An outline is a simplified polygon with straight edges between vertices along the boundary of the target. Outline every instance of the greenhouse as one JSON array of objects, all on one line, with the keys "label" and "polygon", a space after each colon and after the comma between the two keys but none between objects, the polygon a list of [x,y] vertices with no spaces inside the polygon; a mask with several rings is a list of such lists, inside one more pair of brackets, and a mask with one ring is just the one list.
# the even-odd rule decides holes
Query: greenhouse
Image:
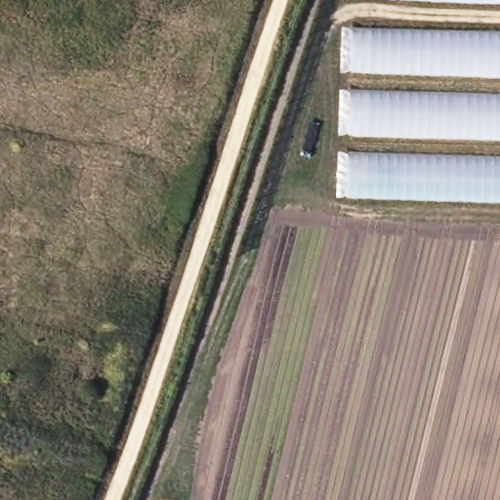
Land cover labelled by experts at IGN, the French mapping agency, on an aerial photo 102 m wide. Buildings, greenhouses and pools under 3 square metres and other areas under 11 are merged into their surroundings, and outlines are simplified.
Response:
[{"label": "greenhouse", "polygon": [[500,33],[352,27],[342,29],[340,35],[342,72],[500,78]]},{"label": "greenhouse", "polygon": [[500,203],[500,158],[338,152],[336,166],[338,197]]},{"label": "greenhouse", "polygon": [[500,0],[422,0],[500,4]]},{"label": "greenhouse", "polygon": [[340,135],[381,139],[500,141],[500,96],[340,90],[338,102]]}]

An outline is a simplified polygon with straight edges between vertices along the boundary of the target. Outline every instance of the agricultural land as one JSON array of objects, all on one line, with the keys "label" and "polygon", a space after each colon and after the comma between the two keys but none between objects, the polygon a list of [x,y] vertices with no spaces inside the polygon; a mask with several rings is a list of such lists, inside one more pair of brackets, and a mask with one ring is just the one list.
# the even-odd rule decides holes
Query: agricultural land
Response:
[{"label": "agricultural land", "polygon": [[303,207],[297,203],[271,207],[268,223],[262,234],[256,266],[244,289],[240,307],[230,330],[229,342],[221,354],[221,363],[217,367],[215,377],[211,379],[211,391],[207,398],[205,414],[199,422],[199,432],[195,437],[195,486],[189,500],[500,500],[500,225],[482,223],[459,227],[441,221],[416,223],[414,219],[357,221],[350,215],[334,217],[322,211],[303,211]]}]

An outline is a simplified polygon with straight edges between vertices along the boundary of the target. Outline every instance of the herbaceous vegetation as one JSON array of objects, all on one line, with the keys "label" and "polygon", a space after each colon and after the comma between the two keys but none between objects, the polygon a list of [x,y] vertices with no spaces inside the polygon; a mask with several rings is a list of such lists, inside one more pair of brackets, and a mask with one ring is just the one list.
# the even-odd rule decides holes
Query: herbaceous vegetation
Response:
[{"label": "herbaceous vegetation", "polygon": [[355,18],[352,27],[500,33],[500,23]]},{"label": "herbaceous vegetation", "polygon": [[104,500],[117,461],[123,453],[131,424],[135,420],[137,408],[141,404],[141,396],[160,346],[168,314],[178,295],[191,254],[191,246],[195,240],[195,232],[199,227],[199,219],[209,195],[209,187],[213,184],[221,152],[229,137],[236,105],[240,100],[250,62],[254,59],[258,39],[262,35],[264,23],[270,12],[271,0],[0,0],[0,500]]},{"label": "herbaceous vegetation", "polygon": [[195,486],[195,437],[199,432],[199,422],[205,414],[207,398],[211,391],[211,379],[215,377],[217,367],[221,363],[221,354],[229,342],[230,330],[240,307],[244,289],[256,266],[262,234],[268,223],[271,207],[297,203],[303,207],[303,211],[322,211],[334,217],[350,215],[357,221],[414,219],[416,223],[441,221],[459,227],[482,223],[500,225],[500,203],[338,197],[336,166],[338,152],[500,158],[500,141],[381,139],[340,135],[338,102],[340,90],[500,96],[500,78],[342,72],[340,35],[336,29],[330,27],[330,23],[334,12],[346,4],[375,2],[398,8],[500,12],[500,4],[422,0],[322,0],[312,25],[309,43],[305,47],[291,88],[289,102],[283,111],[273,141],[270,160],[250,213],[248,227],[234,258],[227,287],[221,291],[219,285],[229,262],[230,246],[270,131],[271,117],[283,92],[287,70],[293,61],[295,49],[303,35],[303,27],[309,18],[314,0],[289,0],[271,51],[266,78],[260,88],[254,111],[250,115],[240,154],[230,176],[227,195],[219,211],[219,219],[201,266],[197,287],[191,295],[186,318],[182,322],[174,354],[170,359],[166,377],[162,381],[150,424],[146,428],[139,457],[135,461],[135,467],[131,471],[121,500],[146,500],[150,484],[158,469],[158,461],[162,465],[168,463],[172,467],[170,477],[164,480],[164,500],[189,500]]}]

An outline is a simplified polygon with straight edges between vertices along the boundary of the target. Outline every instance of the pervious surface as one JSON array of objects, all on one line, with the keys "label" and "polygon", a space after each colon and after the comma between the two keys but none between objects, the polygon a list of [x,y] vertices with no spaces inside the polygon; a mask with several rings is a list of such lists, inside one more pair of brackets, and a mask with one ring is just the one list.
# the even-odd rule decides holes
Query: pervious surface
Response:
[{"label": "pervious surface", "polygon": [[146,500],[164,500],[164,480],[170,477],[172,467],[168,463],[162,465],[158,461],[158,469],[150,484]]},{"label": "pervious surface", "polygon": [[191,246],[191,254],[178,295],[168,314],[160,346],[141,396],[141,404],[137,408],[135,420],[131,424],[123,453],[117,461],[104,500],[121,500],[131,471],[135,467],[135,461],[139,457],[146,428],[150,424],[162,381],[166,377],[170,359],[174,354],[182,322],[186,318],[191,295],[197,287],[201,266],[219,219],[219,211],[227,195],[230,176],[240,154],[250,115],[254,111],[260,88],[266,78],[271,51],[289,0],[271,0],[270,12],[264,23],[262,35],[258,39],[254,59],[250,62],[240,100],[236,105],[229,137],[221,152],[213,184],[209,187],[209,195],[199,219],[199,227],[195,232],[195,240]]},{"label": "pervious surface", "polygon": [[352,27],[355,18],[500,23],[500,12],[398,8],[375,2],[346,4],[334,12],[330,23],[330,27],[336,29],[340,35],[342,29]]},{"label": "pervious surface", "polygon": [[248,227],[250,213],[270,160],[273,141],[283,111],[289,102],[291,88],[305,47],[309,43],[312,25],[322,0],[314,0],[309,18],[303,27],[303,35],[295,49],[293,61],[287,70],[283,92],[271,117],[270,131],[230,246],[229,262],[219,285],[221,291],[227,287],[234,258]]}]

